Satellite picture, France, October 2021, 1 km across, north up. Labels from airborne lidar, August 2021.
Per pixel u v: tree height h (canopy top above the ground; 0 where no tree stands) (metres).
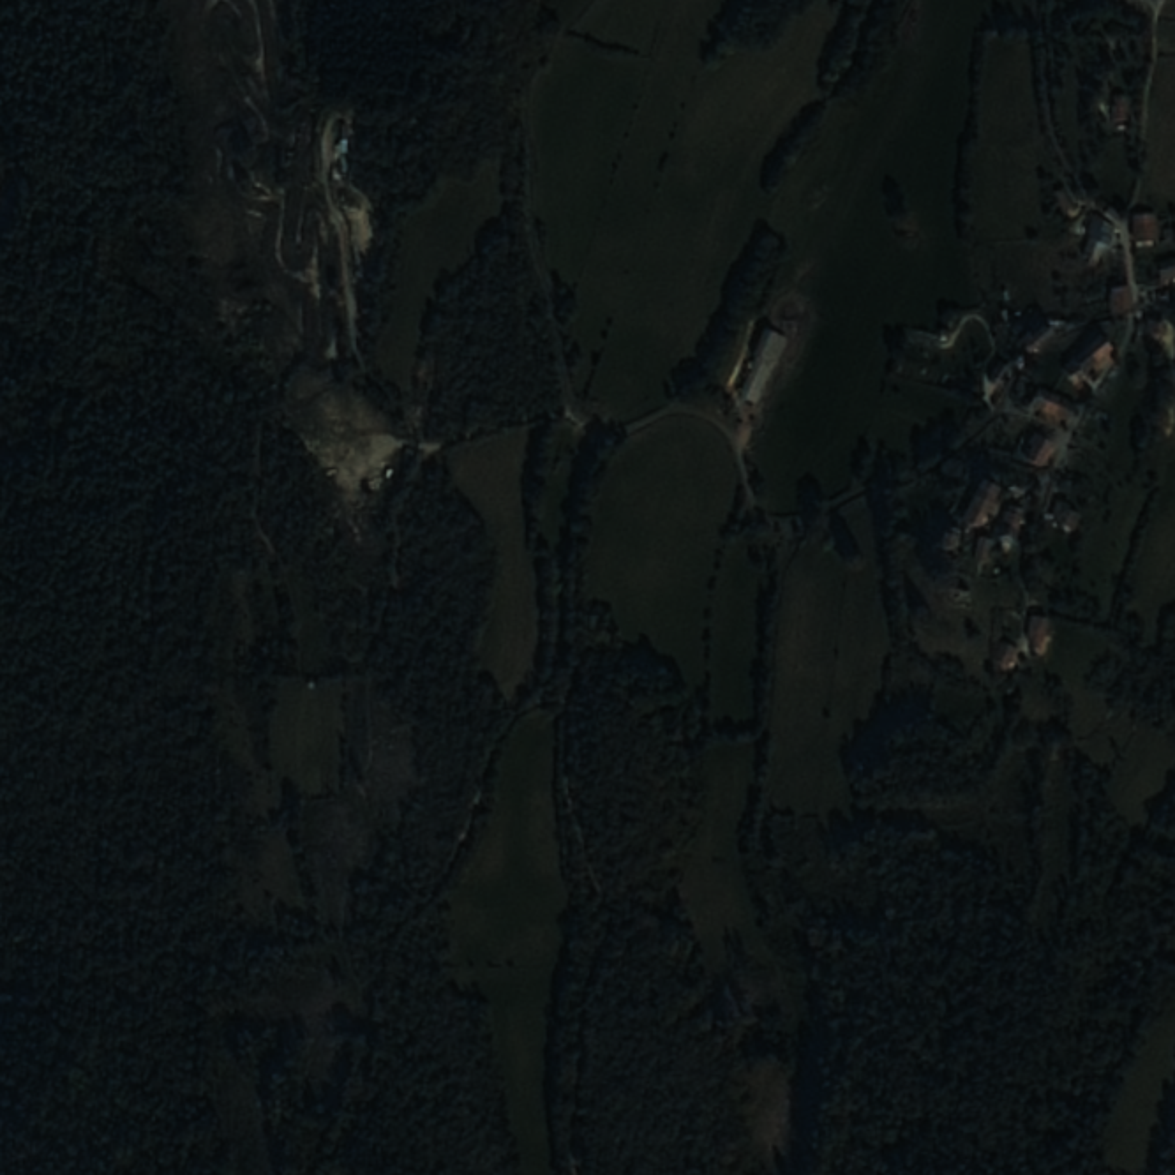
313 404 0
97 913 8
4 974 12
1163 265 0
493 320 10
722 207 0
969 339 0
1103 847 18
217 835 9
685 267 0
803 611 0
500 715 18
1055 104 11
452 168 13
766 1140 0
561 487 0
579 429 0
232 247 0
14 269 17
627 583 0
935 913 18
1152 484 8
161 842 9
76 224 9
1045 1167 20
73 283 20
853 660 0
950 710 0
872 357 0
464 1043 8
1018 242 0
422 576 6
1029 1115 8
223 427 7
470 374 6
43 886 13
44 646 21
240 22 0
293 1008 0
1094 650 0
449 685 9
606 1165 12
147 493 9
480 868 0
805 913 21
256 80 0
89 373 19
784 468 0
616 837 7
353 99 11
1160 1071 0
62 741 6
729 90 0
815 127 9
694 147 0
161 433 16
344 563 9
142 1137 20
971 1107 24
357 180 12
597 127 0
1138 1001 17
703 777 9
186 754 6
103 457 23
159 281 10
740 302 20
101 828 8
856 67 12
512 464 0
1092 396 12
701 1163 6
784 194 0
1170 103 0
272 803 0
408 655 9
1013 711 16
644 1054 8
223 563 11
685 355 0
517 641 0
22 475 22
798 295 0
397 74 21
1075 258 6
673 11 0
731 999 0
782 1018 13
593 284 0
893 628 11
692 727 18
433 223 0
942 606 0
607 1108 10
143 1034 14
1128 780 0
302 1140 17
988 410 8
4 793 12
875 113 0
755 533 13
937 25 0
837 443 0
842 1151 18
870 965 15
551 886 0
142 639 11
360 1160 18
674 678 13
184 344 6
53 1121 15
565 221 0
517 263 16
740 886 0
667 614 0
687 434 0
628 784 19
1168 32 0
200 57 0
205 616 14
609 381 0
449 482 10
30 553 19
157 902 11
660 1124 8
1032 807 21
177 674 11
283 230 0
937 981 18
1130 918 19
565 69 0
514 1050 0
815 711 0
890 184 0
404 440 0
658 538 0
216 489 10
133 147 18
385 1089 18
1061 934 8
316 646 0
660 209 0
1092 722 0
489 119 17
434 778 9
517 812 0
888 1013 10
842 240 0
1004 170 0
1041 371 12
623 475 0
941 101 0
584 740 16
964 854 15
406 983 10
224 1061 15
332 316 0
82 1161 18
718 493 0
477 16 10
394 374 0
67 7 14
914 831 18
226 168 0
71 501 15
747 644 0
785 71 0
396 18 21
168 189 8
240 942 12
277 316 0
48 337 13
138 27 7
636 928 16
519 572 0
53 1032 20
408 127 14
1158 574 0
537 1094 0
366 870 0
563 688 12
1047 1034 22
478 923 0
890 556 20
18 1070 19
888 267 0
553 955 0
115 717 6
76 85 13
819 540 14
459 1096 7
